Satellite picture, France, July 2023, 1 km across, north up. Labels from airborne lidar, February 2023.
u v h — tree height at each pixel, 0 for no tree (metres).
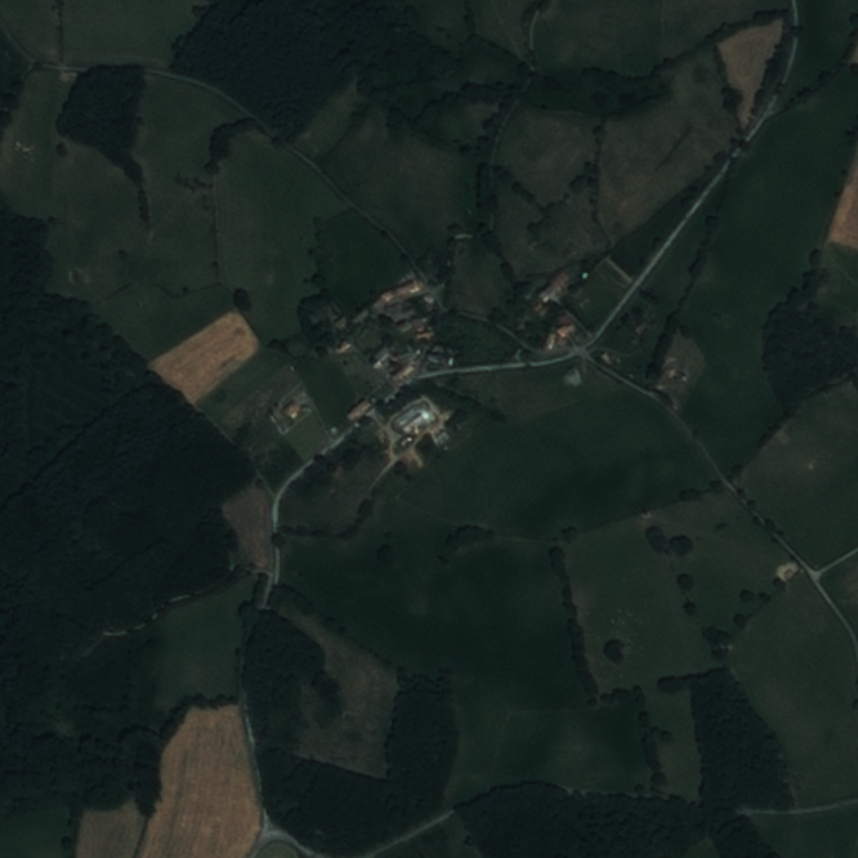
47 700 7
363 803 15
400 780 19
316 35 18
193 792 0
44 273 17
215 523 13
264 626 18
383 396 0
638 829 15
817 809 0
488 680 0
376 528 0
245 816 0
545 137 0
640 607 0
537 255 0
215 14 14
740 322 0
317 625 0
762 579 0
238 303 11
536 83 6
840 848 0
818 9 0
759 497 0
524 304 6
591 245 0
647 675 0
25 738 18
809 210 0
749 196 0
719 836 14
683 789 0
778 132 0
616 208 0
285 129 12
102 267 0
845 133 0
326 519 0
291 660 18
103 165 0
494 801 17
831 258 0
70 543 14
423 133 12
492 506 0
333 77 17
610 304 0
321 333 15
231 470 17
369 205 0
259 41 20
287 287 0
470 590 0
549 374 0
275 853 0
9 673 26
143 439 17
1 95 9
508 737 0
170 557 18
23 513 15
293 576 0
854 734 0
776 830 0
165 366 0
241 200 0
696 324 0
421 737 20
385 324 9
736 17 0
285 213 0
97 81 22
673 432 0
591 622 0
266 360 0
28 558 15
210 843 0
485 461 0
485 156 11
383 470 0
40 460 12
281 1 16
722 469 0
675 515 0
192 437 16
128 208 0
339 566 0
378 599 0
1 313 12
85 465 15
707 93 0
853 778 0
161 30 0
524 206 0
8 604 13
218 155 13
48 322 15
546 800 17
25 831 0
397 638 0
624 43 0
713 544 0
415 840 0
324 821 16
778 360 8
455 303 0
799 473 0
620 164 0
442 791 18
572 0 0
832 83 10
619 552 0
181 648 0
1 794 22
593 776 0
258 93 19
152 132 0
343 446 0
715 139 0
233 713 0
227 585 6
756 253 0
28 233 11
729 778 17
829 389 11
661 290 0
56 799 15
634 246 0
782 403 8
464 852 0
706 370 0
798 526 0
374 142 0
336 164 0
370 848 14
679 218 0
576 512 0
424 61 8
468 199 0
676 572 0
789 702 0
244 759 0
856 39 12
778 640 0
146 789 17
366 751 0
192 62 16
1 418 17
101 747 16
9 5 0
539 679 0
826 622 0
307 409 0
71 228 0
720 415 0
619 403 0
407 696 16
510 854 20
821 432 0
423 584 0
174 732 15
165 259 0
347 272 0
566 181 0
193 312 0
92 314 7
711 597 0
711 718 16
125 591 14
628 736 0
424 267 7
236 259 0
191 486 17
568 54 0
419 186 0
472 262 0
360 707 0
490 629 0
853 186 0
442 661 0
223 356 0
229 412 0
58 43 0
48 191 0
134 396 11
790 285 0
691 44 0
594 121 0
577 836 19
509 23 0
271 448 0
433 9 0
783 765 19
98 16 0
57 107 0
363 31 17
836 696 0
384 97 17
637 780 0
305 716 0
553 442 0
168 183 0
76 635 22
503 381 0
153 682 0
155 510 12
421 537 0
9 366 18
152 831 0
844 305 0
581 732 0
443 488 0
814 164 0
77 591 20
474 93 19
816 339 7
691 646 0
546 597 0
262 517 0
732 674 14
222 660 0
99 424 17
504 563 0
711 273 0
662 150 0
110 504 16
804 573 0
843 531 0
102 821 0
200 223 0
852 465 0
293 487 6
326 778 16
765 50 0
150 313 0
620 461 0
